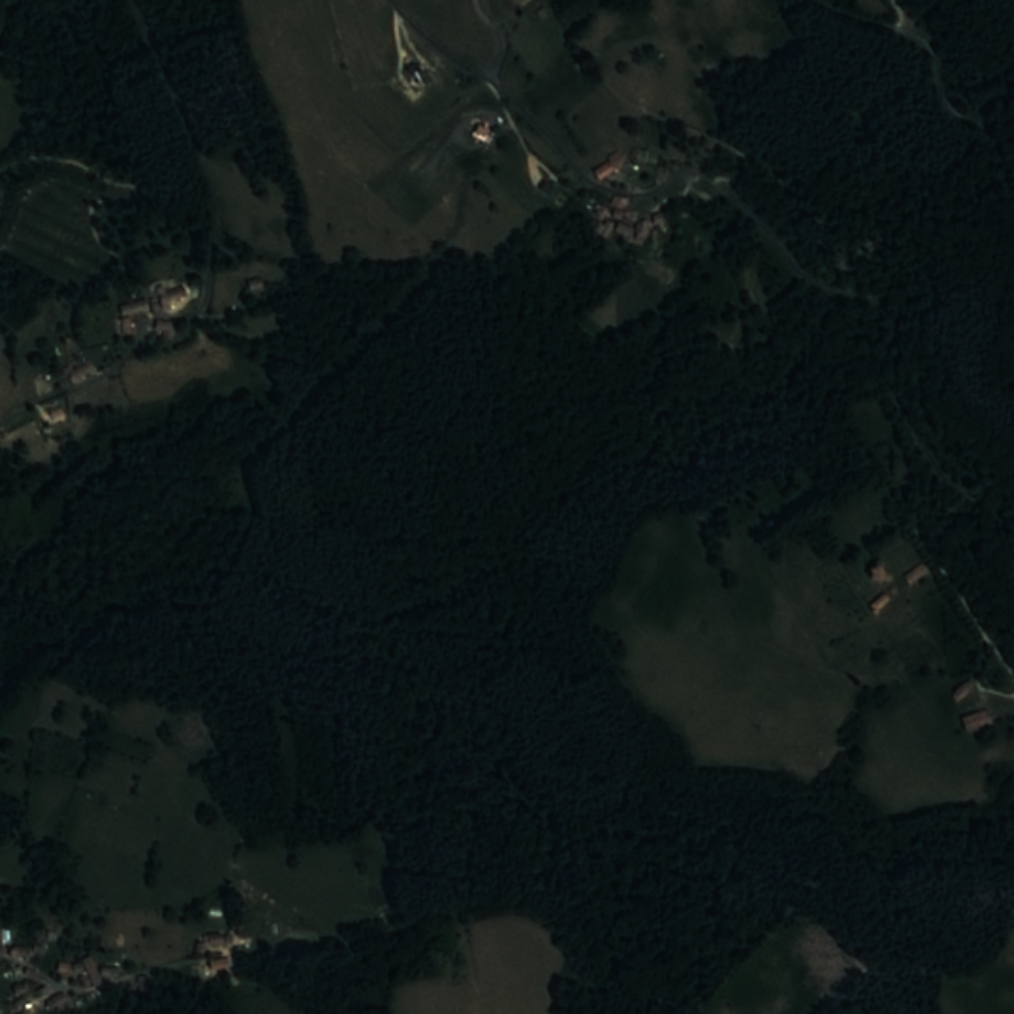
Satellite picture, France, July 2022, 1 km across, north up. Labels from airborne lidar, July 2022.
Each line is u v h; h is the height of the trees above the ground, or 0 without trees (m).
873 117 35
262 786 28
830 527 12
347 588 26
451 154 0
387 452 19
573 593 22
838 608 0
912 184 22
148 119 32
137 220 19
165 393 0
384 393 18
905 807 0
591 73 18
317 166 0
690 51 0
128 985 6
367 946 21
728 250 14
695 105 0
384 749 31
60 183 0
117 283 11
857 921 27
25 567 19
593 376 20
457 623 30
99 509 14
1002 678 20
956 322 29
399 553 27
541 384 15
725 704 0
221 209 0
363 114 0
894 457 11
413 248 0
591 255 17
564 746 20
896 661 0
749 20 0
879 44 31
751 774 19
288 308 20
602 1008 19
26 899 15
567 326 17
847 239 21
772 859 19
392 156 0
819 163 26
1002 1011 0
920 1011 18
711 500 26
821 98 30
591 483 20
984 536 23
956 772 0
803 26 28
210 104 23
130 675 29
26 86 29
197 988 20
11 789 0
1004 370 29
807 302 17
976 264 29
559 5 8
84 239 0
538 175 0
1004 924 23
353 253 14
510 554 20
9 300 20
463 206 0
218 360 0
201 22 11
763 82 29
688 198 14
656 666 0
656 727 18
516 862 29
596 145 0
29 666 18
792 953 0
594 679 27
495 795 26
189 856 0
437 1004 0
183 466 15
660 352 17
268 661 31
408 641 24
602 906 27
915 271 25
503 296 19
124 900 0
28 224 0
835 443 21
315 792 9
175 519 21
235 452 5
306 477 16
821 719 0
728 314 13
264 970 24
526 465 14
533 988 0
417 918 19
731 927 26
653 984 25
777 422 40
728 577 16
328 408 15
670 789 21
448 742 30
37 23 22
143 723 0
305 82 0
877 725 0
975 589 21
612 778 25
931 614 0
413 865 22
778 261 0
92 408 15
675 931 33
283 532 26
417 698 23
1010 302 31
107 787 0
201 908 8
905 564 0
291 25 0
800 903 24
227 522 17
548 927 16
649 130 0
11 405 0
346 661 31
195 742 0
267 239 0
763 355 23
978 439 27
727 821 17
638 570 0
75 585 22
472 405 16
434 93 0
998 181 29
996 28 18
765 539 26
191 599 23
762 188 24
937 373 28
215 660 17
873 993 18
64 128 26
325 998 25
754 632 0
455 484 17
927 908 26
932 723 0
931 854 19
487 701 19
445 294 17
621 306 0
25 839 15
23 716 0
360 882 0
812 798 17
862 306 25
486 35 0
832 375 32
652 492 24
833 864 18
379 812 18
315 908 0
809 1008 0
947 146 28
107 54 23
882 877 20
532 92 0
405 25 0
